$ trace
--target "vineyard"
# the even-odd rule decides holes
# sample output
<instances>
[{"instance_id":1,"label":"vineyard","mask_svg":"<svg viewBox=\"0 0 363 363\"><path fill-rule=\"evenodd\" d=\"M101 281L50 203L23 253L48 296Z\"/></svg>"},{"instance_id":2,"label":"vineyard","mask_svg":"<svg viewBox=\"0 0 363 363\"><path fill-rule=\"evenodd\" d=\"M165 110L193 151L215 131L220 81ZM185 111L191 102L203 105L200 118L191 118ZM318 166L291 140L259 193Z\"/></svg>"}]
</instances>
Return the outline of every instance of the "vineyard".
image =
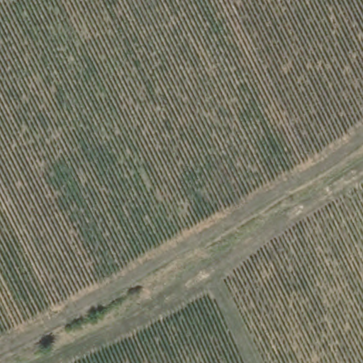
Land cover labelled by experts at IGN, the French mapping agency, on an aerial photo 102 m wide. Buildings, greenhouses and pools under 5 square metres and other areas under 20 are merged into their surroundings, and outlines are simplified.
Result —
<instances>
[{"instance_id":1,"label":"vineyard","mask_svg":"<svg viewBox=\"0 0 363 363\"><path fill-rule=\"evenodd\" d=\"M225 332L227 322L216 299L203 296L189 303L181 311L153 323L147 329L140 330L135 336L105 347L75 363L245 363L233 335Z\"/></svg>"},{"instance_id":2,"label":"vineyard","mask_svg":"<svg viewBox=\"0 0 363 363\"><path fill-rule=\"evenodd\" d=\"M51 305L64 301L79 289L115 274L140 254L159 247L163 241L170 240L180 231L193 227L221 208L238 203L241 197L247 196L262 183L274 180L285 170L294 169L296 164L306 162L311 155L320 152L333 140L342 138L347 129L352 128L354 123L363 118L363 0L0 0L0 335L14 325L45 311Z\"/></svg>"},{"instance_id":3,"label":"vineyard","mask_svg":"<svg viewBox=\"0 0 363 363\"><path fill-rule=\"evenodd\" d=\"M271 238L269 241L272 247L259 248L240 268L234 269L233 277L224 279L224 285L231 288L235 308L240 309L242 320L250 333L254 333L252 343L257 346L262 363L363 363L363 184L362 189L353 189L350 197L346 196L345 189L333 193L333 200L326 204L325 208L313 213L315 218L303 218L289 230L285 230L281 237Z\"/></svg>"}]
</instances>

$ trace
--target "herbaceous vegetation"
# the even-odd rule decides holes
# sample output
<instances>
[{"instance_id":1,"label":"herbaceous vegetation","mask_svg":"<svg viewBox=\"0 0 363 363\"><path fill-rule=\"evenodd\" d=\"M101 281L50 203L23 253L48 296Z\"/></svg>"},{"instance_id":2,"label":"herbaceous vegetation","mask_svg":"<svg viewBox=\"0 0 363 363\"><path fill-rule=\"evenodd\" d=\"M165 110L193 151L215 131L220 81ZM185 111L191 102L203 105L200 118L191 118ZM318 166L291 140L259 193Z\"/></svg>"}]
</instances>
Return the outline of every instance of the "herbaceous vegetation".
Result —
<instances>
[{"instance_id":1,"label":"herbaceous vegetation","mask_svg":"<svg viewBox=\"0 0 363 363\"><path fill-rule=\"evenodd\" d=\"M153 323L181 311L189 303L203 296L216 299L227 322L225 332L233 335L245 363L262 363L257 346L252 343L254 333L250 333L242 320L240 309L235 308L231 288L224 285L224 279L233 277L234 269L240 268L259 248L272 247L269 241L271 238L281 237L285 230L289 230L303 218L315 218L313 213L325 208L326 204L333 200L333 193L345 189L346 196L350 197L353 189L362 189L363 184L363 118L354 123L352 128L347 129L342 138L333 140L320 152L311 155L306 162L296 164L294 169L285 170L274 180L262 183L247 196L241 197L238 203L221 208L193 227L180 231L170 240L163 241L159 247L140 254L115 274L79 289L64 301L51 305L45 311L14 325L0 335L0 363L75 363L105 347L135 336L140 330L147 329ZM94 306L105 306L113 299L125 296L132 286L140 286L140 294L133 294L130 299L106 312L104 318L96 320L95 323L81 325L78 329L65 330L69 320L86 315Z\"/></svg>"}]
</instances>

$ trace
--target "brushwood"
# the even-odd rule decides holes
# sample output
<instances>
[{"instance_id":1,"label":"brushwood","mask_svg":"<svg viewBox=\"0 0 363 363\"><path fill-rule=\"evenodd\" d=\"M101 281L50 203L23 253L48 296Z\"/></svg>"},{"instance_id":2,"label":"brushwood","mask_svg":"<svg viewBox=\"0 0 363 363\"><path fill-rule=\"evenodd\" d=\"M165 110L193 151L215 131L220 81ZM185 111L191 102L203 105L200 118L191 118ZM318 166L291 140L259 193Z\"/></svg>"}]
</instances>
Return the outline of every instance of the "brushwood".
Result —
<instances>
[{"instance_id":1,"label":"brushwood","mask_svg":"<svg viewBox=\"0 0 363 363\"><path fill-rule=\"evenodd\" d=\"M105 306L94 306L86 315L69 320L65 330L78 329L81 325L95 323L96 320L104 318L106 312L130 299L133 294L140 294L140 286L132 286L125 296L113 299Z\"/></svg>"}]
</instances>

